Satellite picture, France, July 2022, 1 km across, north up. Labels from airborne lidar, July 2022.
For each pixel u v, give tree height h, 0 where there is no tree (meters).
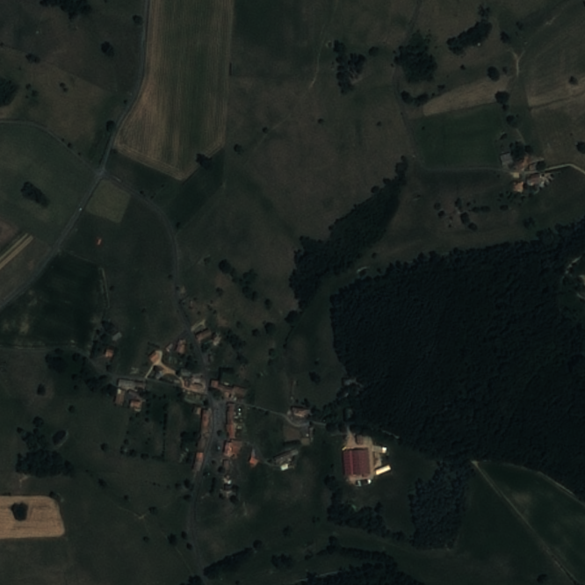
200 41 0
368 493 0
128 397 0
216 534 0
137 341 0
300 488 0
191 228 0
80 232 0
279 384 0
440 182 0
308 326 0
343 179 0
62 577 0
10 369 0
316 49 0
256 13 0
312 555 26
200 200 0
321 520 9
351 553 13
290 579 0
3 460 0
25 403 0
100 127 0
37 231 0
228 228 0
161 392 0
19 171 0
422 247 0
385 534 16
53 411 0
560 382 15
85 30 0
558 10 0
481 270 16
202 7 0
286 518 0
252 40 0
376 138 0
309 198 0
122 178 0
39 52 0
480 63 0
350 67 14
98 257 0
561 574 0
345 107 0
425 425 20
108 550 0
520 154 9
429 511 20
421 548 13
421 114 0
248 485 0
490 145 0
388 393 17
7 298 0
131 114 0
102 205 0
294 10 0
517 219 0
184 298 0
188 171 0
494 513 0
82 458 0
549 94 0
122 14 0
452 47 18
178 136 0
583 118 0
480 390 21
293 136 0
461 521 13
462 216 10
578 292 18
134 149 0
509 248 21
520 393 21
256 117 0
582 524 0
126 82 0
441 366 13
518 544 0
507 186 0
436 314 15
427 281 19
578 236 22
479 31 17
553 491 0
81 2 21
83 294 0
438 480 20
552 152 0
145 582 0
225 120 0
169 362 0
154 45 0
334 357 0
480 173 0
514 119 19
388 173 0
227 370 9
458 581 0
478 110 0
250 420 0
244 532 0
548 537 0
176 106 0
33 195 7
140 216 0
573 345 14
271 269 0
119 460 0
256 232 0
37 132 0
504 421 22
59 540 0
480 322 16
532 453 10
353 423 12
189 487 20
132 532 0
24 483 0
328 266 12
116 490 0
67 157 0
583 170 0
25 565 0
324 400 0
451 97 0
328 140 0
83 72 0
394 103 0
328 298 0
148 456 9
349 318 15
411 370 14
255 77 0
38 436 15
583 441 15
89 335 0
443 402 13
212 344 0
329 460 0
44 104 0
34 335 0
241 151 10
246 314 0
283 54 0
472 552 0
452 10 0
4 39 0
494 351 13
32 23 0
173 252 0
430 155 0
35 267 0
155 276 0
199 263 0
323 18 0
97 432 0
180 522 0
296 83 0
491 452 19
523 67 0
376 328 13
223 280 0
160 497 0
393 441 10
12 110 0
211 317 0
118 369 0
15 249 0
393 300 14
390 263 0
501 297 26
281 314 0
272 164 0
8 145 0
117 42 0
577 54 0
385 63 0
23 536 0
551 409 16
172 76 0
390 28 0
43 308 0
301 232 0
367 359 11
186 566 0
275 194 0
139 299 0
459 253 13
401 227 0
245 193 0
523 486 0
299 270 9
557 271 25
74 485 0
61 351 7
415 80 10
